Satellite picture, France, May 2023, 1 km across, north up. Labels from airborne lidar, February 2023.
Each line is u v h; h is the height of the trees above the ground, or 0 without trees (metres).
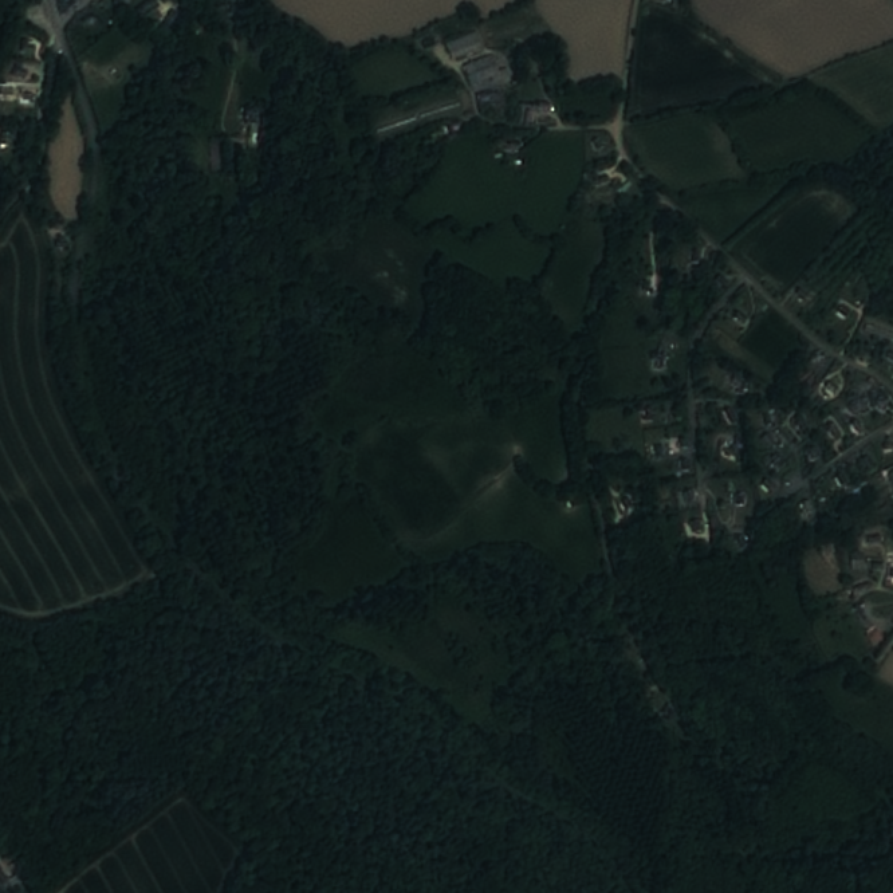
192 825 0
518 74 21
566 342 14
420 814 28
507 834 29
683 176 0
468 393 9
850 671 18
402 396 0
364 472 0
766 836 19
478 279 16
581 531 0
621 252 21
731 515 0
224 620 25
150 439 7
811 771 16
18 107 0
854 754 20
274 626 14
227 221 23
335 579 0
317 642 20
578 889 22
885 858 24
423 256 0
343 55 19
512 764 17
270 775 25
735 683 21
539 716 20
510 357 16
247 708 33
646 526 22
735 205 0
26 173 9
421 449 0
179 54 25
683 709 15
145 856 0
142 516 18
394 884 16
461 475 0
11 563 0
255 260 30
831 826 21
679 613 10
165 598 19
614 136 0
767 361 0
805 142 0
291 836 25
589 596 15
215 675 20
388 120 0
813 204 0
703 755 9
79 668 17
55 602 0
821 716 21
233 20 9
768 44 0
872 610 0
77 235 13
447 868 18
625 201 16
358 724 29
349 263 0
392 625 18
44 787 19
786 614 0
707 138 0
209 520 16
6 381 0
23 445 0
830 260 9
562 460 0
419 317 0
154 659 23
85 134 6
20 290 0
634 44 0
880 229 11
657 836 24
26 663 27
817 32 0
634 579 7
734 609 9
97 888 0
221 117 0
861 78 0
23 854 16
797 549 17
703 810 13
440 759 24
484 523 0
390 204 15
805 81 8
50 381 0
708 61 0
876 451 0
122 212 11
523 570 27
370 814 25
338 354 13
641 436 0
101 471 15
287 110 17
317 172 21
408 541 0
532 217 0
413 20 0
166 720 20
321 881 19
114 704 27
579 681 17
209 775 24
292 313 13
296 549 12
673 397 10
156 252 23
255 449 15
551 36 10
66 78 13
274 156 17
